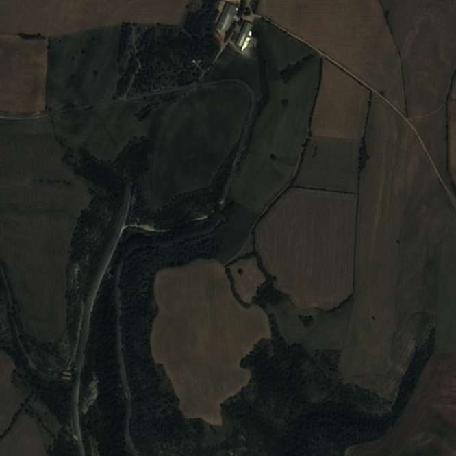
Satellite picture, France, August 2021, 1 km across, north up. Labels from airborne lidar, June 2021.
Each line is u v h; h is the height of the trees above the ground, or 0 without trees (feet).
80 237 33
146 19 0
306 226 0
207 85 0
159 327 0
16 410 0
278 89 0
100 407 22
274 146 0
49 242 0
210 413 0
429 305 0
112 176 31
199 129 0
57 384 30
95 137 0
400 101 0
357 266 0
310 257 0
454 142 0
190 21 24
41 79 0
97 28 0
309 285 0
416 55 0
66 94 0
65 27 0
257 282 0
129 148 28
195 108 0
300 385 29
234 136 0
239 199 0
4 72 0
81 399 23
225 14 0
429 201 0
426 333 0
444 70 0
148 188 0
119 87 27
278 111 0
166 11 0
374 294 0
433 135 0
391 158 0
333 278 0
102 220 18
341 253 0
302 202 0
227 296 0
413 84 0
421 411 0
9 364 0
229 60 0
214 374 0
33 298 0
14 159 0
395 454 0
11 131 0
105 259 0
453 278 0
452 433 0
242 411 32
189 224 25
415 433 0
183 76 24
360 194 0
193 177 0
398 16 0
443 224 0
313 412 18
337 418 29
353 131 0
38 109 0
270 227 0
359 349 0
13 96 0
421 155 0
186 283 0
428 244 0
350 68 0
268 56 0
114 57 0
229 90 0
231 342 0
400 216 0
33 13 0
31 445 0
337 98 0
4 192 0
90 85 0
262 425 44
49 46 18
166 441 26
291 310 0
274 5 0
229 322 0
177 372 0
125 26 29
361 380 0
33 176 0
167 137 0
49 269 0
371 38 0
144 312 27
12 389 0
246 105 0
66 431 25
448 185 0
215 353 0
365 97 0
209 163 0
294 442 35
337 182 0
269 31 0
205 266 0
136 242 55
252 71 0
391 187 0
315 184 0
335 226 0
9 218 0
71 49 0
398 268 0
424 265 0
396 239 0
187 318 0
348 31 0
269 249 0
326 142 0
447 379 0
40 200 0
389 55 0
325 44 0
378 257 0
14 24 0
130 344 20
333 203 0
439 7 0
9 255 0
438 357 0
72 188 0
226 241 0
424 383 0
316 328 0
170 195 0
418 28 0
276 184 0
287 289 0
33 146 0
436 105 0
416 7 0
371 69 0
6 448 0
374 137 0
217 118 0
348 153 0
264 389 22
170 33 20
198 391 0
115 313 25
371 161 0
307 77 0
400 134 0
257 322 0
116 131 0
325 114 0
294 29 0
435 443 0
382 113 0
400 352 0
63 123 0
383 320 0
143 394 19
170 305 0
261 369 28
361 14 0
